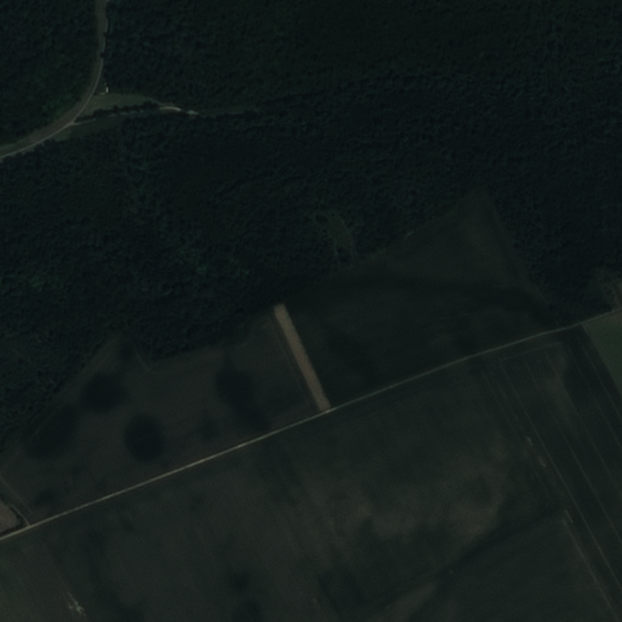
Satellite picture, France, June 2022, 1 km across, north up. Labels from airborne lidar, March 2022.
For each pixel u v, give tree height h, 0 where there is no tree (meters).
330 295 0
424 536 0
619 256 7
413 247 0
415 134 13
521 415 0
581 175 18
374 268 0
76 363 13
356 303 0
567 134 8
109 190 0
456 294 0
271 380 0
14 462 0
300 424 0
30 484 0
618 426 0
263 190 19
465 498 0
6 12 23
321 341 0
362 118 8
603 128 18
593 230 18
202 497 0
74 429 0
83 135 0
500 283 0
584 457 0
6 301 15
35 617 0
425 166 17
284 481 0
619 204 10
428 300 0
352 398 0
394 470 0
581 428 0
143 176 18
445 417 0
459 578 0
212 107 11
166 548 0
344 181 18
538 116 10
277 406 0
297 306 0
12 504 0
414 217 7
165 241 22
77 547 0
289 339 0
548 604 0
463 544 0
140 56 19
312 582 0
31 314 13
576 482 0
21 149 0
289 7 11
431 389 0
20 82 20
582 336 0
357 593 0
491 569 0
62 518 0
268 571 0
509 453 0
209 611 0
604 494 0
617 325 0
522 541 0
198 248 19
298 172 12
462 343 0
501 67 13
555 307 11
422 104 11
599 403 0
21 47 22
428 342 0
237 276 25
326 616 0
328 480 0
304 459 0
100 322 18
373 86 12
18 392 8
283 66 7
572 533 0
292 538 0
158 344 14
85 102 0
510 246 0
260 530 0
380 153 22
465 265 0
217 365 0
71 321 15
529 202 9
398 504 0
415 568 0
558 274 16
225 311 16
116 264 29
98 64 0
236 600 0
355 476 0
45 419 0
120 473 0
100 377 0
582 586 0
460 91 13
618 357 0
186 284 31
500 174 18
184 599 0
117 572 0
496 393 0
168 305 26
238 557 0
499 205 15
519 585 0
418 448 0
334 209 15
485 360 0
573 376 0
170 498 0
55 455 0
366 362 0
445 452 0
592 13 7
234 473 0
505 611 0
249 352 0
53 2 17
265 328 0
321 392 0
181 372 0
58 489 0
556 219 20
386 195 14
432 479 0
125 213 0
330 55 11
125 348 0
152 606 0
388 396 0
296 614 0
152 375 0
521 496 0
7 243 18
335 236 0
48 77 15
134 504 0
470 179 19
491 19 7
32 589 0
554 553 0
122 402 0
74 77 17
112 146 0
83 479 0
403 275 0
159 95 18
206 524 0
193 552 0
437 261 0
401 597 0
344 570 0
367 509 0
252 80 13
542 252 8
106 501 0
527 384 0
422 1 7
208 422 0
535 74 17
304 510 0
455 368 0
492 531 0
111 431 0
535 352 0
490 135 12
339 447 0
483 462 0
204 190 13
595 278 6
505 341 0
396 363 0
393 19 9
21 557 0
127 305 21
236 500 0
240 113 0
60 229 13
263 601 0
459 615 0
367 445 0
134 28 18
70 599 0
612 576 0
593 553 0
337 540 0
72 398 0
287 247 18
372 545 0
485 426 0
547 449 0
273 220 16
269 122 13
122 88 14
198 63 16
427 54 11
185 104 16
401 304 0
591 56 16
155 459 0
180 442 0
